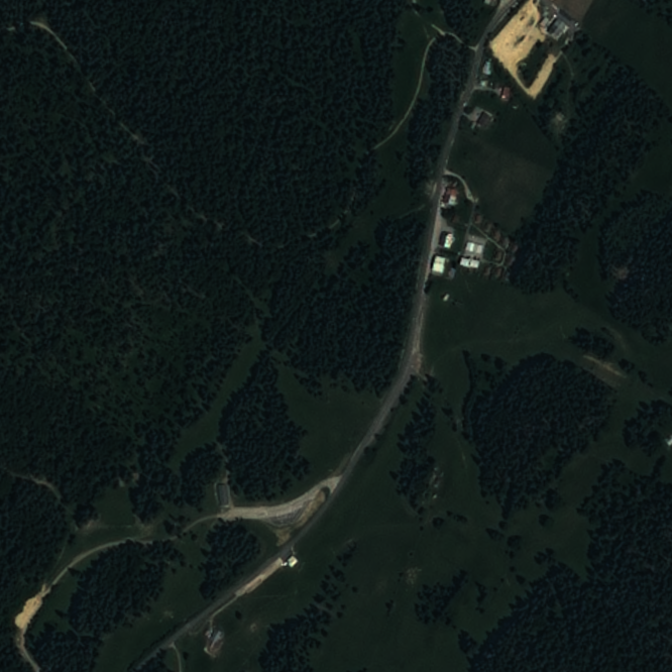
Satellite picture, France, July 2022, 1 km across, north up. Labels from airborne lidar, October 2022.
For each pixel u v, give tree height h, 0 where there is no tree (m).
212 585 14
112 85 28
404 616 0
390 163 0
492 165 0
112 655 0
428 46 0
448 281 0
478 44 0
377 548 0
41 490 25
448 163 0
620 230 7
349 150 22
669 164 0
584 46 23
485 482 17
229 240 15
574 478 0
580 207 19
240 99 16
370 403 0
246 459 23
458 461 0
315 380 10
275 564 0
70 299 28
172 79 22
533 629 25
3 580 25
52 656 31
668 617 25
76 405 16
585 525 0
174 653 0
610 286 0
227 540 21
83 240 13
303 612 0
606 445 0
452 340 0
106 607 32
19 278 18
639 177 0
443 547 0
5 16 33
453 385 0
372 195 12
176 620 0
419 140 26
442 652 0
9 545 27
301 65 12
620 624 24
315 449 0
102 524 0
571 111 0
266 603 0
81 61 30
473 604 0
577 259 16
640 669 23
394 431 0
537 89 0
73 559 0
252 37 15
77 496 25
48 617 0
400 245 25
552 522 12
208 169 18
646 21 0
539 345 0
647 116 20
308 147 21
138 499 31
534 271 16
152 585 21
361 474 0
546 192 8
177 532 18
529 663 32
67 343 15
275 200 19
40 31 17
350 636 0
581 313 0
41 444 21
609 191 14
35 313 23
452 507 0
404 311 20
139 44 10
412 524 0
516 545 17
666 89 0
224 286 20
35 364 22
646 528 28
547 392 20
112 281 22
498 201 0
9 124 21
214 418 0
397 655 0
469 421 14
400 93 0
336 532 0
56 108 13
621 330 0
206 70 23
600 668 27
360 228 0
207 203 17
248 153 23
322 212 14
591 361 0
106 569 26
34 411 18
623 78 19
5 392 16
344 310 16
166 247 11
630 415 0
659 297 18
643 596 29
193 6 27
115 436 18
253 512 0
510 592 0
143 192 18
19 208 10
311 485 0
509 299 0
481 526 0
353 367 26
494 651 28
